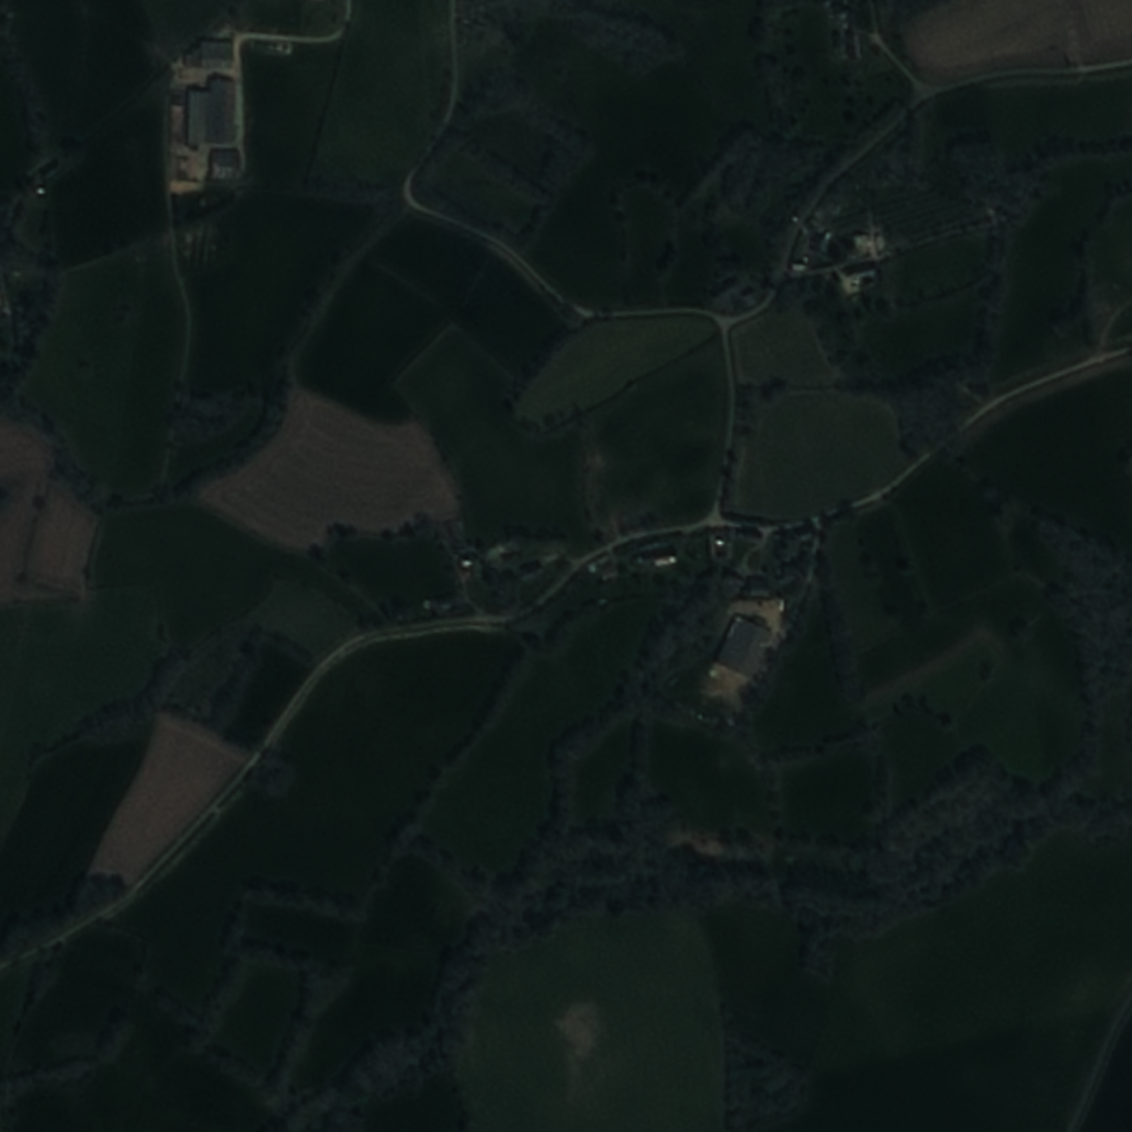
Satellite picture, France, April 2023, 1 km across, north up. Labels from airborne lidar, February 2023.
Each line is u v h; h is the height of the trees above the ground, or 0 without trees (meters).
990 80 0
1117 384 0
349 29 6
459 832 0
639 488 0
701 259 0
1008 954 0
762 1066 6
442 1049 14
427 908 0
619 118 0
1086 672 17
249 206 0
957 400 17
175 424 11
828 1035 0
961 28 0
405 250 0
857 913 28
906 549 0
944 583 0
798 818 0
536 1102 0
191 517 0
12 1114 8
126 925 0
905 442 13
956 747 0
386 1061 25
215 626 0
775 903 13
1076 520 0
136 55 0
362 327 0
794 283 10
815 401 0
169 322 0
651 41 15
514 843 0
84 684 0
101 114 0
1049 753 0
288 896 14
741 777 0
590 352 0
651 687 7
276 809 0
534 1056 0
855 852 12
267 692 0
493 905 13
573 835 8
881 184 9
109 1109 0
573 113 0
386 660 0
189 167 0
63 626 0
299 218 0
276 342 0
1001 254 16
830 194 8
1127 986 0
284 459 0
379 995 0
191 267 0
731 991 0
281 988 0
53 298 11
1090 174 0
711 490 0
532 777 0
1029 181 19
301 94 0
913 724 0
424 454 0
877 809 8
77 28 0
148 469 0
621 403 0
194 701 0
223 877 0
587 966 0
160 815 0
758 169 17
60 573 0
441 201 9
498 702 10
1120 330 0
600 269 0
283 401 11
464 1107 0
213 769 0
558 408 0
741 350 0
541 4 19
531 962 0
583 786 0
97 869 0
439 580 0
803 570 8
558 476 0
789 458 0
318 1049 0
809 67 0
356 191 14
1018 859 15
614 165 0
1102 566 12
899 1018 0
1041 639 0
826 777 0
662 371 0
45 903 0
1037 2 0
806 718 0
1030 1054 0
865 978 0
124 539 0
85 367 7
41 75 0
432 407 0
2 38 6
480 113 12
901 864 15
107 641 0
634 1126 0
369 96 0
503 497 0
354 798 0
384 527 0
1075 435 0
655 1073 0
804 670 0
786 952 0
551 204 9
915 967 0
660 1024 0
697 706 0
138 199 0
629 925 0
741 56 0
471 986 19
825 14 0
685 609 25
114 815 0
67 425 0
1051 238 0
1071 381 0
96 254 0
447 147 12
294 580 0
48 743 0
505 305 0
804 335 0
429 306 0
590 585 0
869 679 0
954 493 0
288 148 0
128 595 0
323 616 0
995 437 0
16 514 0
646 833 13
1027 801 24
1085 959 0
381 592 0
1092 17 0
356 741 0
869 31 0
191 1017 11
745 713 10
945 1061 0
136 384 0
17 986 0
